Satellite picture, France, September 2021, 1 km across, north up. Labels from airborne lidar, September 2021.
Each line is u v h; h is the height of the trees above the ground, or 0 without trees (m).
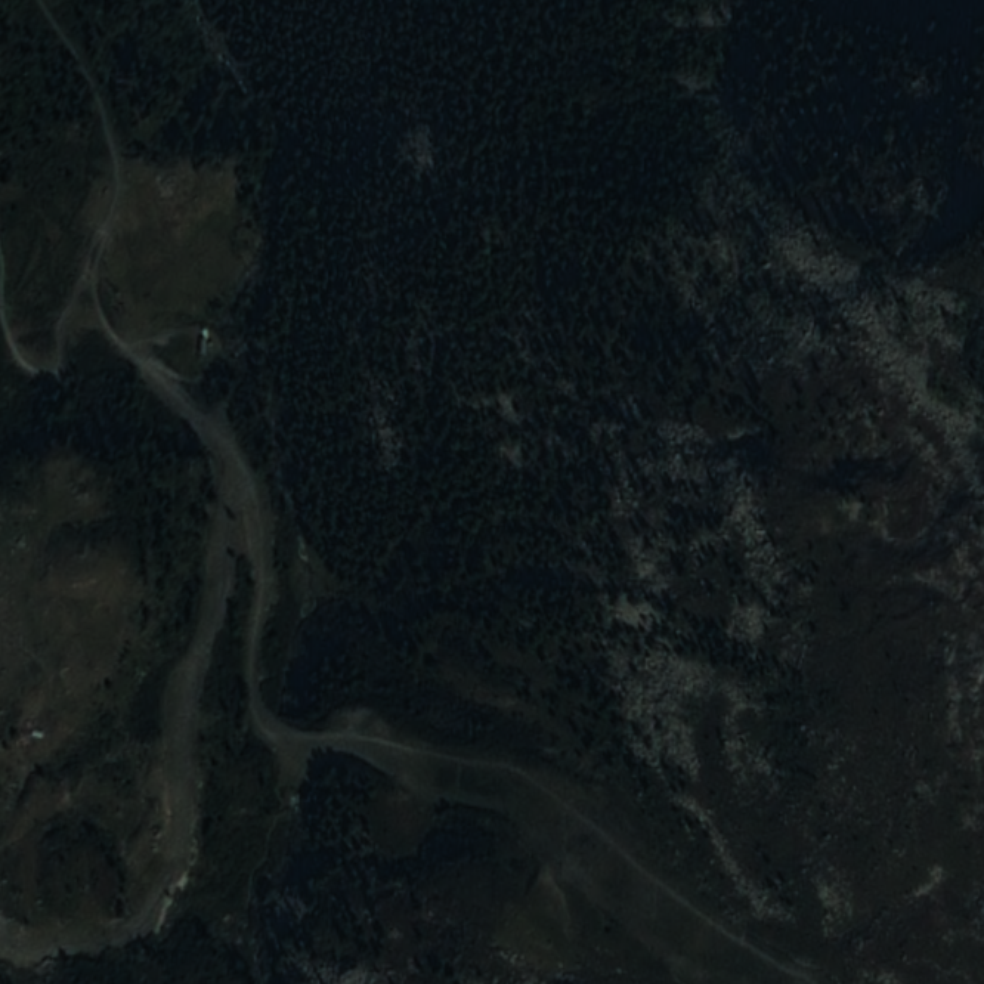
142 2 17
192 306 0
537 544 12
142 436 14
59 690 0
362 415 10
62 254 0
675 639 9
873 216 0
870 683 0
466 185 7
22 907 0
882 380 0
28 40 7
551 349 11
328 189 10
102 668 0
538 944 0
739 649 8
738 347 9
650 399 0
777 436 11
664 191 7
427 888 0
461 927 0
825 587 0
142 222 0
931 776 0
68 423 8
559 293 15
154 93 10
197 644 0
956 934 0
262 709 0
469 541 12
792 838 0
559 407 6
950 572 0
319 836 13
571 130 9
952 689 0
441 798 0
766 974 0
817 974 0
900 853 0
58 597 0
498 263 8
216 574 0
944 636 0
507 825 0
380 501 8
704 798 0
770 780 0
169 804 0
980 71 8
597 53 8
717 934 0
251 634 0
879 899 0
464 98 16
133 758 0
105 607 0
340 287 7
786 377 0
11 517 0
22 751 0
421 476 10
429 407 6
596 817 0
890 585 0
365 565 15
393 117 7
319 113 16
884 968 0
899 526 0
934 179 0
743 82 15
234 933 0
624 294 8
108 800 0
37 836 0
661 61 5
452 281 9
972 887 0
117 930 0
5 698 0
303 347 12
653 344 11
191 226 0
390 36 8
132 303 0
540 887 0
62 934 0
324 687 7
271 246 7
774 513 0
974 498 0
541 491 8
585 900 0
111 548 0
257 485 0
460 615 11
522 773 0
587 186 9
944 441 0
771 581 0
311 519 13
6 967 0
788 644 0
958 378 0
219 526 0
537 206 11
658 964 0
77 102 15
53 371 0
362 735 0
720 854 0
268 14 18
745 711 0
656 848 0
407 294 16
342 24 14
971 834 0
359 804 10
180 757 0
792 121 9
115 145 0
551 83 9
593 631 14
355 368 13
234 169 9
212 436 0
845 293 0
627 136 7
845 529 0
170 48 8
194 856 0
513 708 0
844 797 0
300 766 0
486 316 13
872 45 8
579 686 12
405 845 0
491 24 7
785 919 0
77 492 0
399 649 17
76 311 0
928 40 6
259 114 8
